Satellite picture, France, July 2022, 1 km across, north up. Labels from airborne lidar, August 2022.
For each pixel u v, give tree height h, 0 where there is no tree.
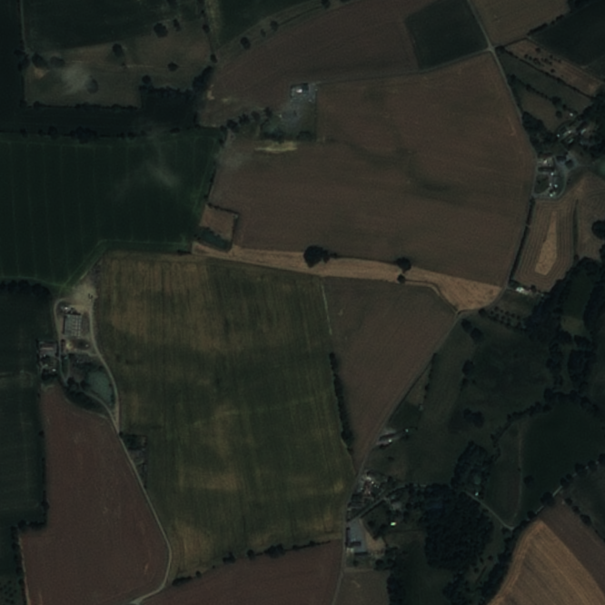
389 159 0
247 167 0
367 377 0
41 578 0
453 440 0
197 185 0
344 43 0
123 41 0
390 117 0
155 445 0
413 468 0
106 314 0
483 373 0
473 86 0
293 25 0
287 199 0
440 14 0
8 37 0
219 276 0
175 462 0
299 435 0
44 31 0
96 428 0
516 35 0
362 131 0
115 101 0
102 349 0
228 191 0
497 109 0
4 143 0
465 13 0
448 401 0
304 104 0
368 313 0
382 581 0
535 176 0
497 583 17
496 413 0
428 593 0
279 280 0
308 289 0
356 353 0
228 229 0
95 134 16
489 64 0
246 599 0
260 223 0
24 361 0
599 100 8
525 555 0
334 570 0
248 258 0
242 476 0
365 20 0
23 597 6
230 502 0
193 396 0
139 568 0
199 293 0
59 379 10
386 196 0
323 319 0
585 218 0
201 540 0
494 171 0
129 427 0
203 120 0
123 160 0
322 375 0
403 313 0
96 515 0
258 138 0
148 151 0
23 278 0
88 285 0
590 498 0
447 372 0
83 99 0
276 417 0
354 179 0
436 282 0
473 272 0
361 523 0
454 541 15
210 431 0
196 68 0
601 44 0
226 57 0
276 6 0
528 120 11
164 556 0
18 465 0
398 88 0
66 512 0
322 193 0
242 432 0
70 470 0
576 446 0
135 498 0
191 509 0
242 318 0
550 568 0
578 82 0
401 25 0
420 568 0
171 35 0
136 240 0
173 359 0
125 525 0
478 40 0
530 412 9
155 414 0
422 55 0
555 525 0
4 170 0
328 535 0
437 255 0
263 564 0
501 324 6
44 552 0
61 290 0
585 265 11
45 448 0
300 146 0
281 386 0
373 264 0
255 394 0
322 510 0
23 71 16
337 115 0
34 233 0
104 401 0
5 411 0
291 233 0
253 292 0
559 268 0
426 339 0
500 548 0
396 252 0
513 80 14
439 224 0
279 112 0
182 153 0
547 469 0
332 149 0
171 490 0
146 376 0
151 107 0
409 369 0
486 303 0
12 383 0
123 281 0
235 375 0
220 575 0
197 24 0
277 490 0
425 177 0
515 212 0
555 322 34
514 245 0
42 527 8
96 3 0
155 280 0
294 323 0
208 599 0
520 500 0
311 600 0
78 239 0
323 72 0
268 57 0
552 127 0
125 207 0
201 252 0
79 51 0
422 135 0
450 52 0
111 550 0
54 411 0
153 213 0
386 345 0
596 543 0
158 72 0
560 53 0
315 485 0
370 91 0
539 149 10
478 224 0
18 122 0
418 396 0
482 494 11
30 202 0
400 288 0
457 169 0
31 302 0
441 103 0
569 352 0
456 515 25
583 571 0
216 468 0
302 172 0
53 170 0
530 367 0
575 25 0
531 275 0
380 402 0
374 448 0
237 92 0
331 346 0
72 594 0
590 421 0
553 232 0
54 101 0
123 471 0
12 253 0
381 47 0
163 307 0
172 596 0
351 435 16
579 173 0
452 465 0
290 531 0
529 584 0
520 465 0
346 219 0
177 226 0
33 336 0
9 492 0
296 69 0
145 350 0
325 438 0
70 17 0
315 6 0
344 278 0
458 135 0
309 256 17
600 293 28
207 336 0
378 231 0
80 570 0
